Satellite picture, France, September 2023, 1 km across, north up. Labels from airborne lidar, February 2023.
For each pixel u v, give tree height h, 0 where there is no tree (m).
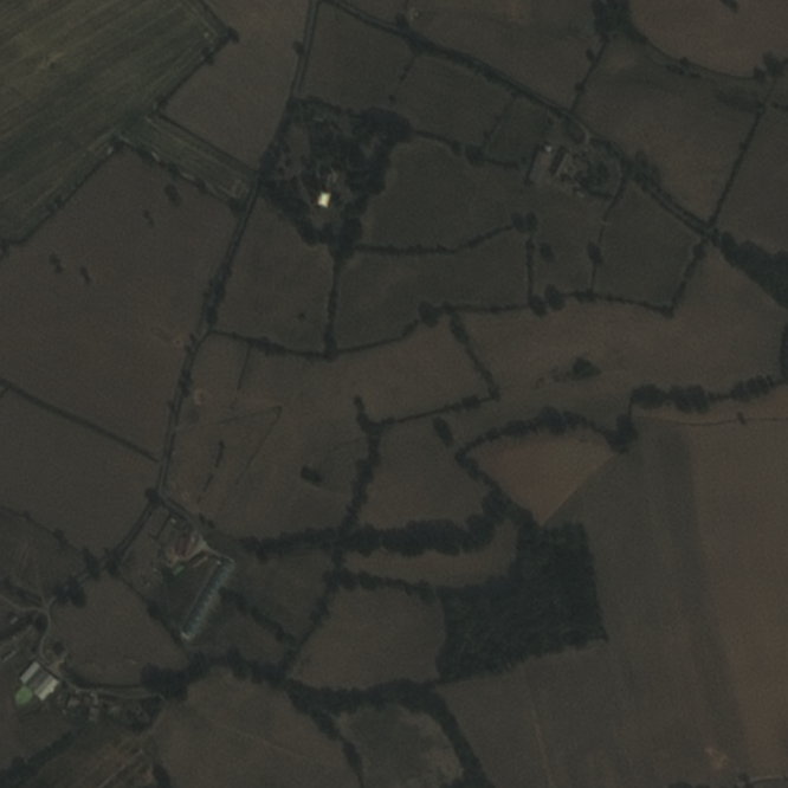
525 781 0
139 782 0
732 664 0
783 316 0
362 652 0
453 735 16
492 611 19
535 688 0
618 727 0
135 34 0
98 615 0
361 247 6
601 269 0
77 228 0
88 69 0
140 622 0
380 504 0
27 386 0
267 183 10
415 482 0
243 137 0
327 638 0
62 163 0
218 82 0
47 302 0
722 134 0
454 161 0
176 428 0
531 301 14
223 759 0
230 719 0
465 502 0
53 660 0
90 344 0
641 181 8
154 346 0
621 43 0
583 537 14
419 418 0
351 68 0
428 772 0
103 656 0
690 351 0
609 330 0
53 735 0
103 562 0
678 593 0
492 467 0
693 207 0
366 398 0
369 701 13
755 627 0
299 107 9
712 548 0
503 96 0
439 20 0
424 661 0
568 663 0
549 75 0
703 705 0
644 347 0
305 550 0
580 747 0
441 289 0
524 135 0
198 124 0
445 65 0
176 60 0
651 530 0
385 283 0
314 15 0
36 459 0
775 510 0
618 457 0
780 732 0
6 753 0
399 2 0
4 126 0
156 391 0
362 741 0
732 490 0
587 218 0
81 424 0
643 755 0
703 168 0
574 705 0
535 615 20
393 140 9
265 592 0
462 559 0
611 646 0
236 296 0
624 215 0
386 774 0
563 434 0
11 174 0
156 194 0
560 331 0
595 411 0
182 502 0
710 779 0
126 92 0
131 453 0
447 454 0
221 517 0
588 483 0
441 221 0
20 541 0
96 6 0
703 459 0
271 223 0
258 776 0
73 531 0
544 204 0
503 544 0
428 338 0
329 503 0
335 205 13
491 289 0
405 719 0
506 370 0
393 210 0
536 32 0
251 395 0
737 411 0
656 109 0
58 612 0
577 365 9
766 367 0
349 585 15
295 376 0
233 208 15
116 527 0
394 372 0
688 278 8
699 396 18
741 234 0
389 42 0
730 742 0
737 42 0
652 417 0
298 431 0
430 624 0
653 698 0
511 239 0
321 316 0
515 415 0
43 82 0
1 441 0
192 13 0
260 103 0
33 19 0
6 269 0
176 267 0
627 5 15
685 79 0
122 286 0
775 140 0
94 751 0
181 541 0
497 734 0
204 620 0
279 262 0
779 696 0
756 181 0
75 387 0
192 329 0
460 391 0
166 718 0
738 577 0
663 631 0
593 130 0
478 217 0
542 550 21
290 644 10
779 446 0
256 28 0
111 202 0
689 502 0
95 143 0
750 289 0
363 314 0
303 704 20
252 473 0
